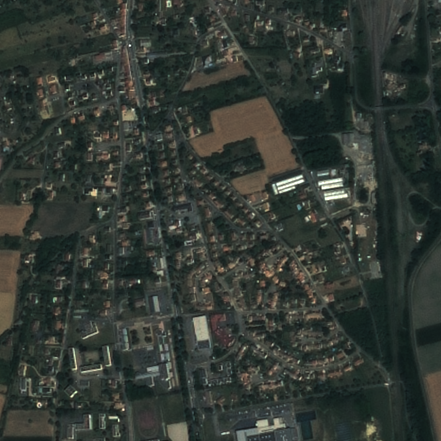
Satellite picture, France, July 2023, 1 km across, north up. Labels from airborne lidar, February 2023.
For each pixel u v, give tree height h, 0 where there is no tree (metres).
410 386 9
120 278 8
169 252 12
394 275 0
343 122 7
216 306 0
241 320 0
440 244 0
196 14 0
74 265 7
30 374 0
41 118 0
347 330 6
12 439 0
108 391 9
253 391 10
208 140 0
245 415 0
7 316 0
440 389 0
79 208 0
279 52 0
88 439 0
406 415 0
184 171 0
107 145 0
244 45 6
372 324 6
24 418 0
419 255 14
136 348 0
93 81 0
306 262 6
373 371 0
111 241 0
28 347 8
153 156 19
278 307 0
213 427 0
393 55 0
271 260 0
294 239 0
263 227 0
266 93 9
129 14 0
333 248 9
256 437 0
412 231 0
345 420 0
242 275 0
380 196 14
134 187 0
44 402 0
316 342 0
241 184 0
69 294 12
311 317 0
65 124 11
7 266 0
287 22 0
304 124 9
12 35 0
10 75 14
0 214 0
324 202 0
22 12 11
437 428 0
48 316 6
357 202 0
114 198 13
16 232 0
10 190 0
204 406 0
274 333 9
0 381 0
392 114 6
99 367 0
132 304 11
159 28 12
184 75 10
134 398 15
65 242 11
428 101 0
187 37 8
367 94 0
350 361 0
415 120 13
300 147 9
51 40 5
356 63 0
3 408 0
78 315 0
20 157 9
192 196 7
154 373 0
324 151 12
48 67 0
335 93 6
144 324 0
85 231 0
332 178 7
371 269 0
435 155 12
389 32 0
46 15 0
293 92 0
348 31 0
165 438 0
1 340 10
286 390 0
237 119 0
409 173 12
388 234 0
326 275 0
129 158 0
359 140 0
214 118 0
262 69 0
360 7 0
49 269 12
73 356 0
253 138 9
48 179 11
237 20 0
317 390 7
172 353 0
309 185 5
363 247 0
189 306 0
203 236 0
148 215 0
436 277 0
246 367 8
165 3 0
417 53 0
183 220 0
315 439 0
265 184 0
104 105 0
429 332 0
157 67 8
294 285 8
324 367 0
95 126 0
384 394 0
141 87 0
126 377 10
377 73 0
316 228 0
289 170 0
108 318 0
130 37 0
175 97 0
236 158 6
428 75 0
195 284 0
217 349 10
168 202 8
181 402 0
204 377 0
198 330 0
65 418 0
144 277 9
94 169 0
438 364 0
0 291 0
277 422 0
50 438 0
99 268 6
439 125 0
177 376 0
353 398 8
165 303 0
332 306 6
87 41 10
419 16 0
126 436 0
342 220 8
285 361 0
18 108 0
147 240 0
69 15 11
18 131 0
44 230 0
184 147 9
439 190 10
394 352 0
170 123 9
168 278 0
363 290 0
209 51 0
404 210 0
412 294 0
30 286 12
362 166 0
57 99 0
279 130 0
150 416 0
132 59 0
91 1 12
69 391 0
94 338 0
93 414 0
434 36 0
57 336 10
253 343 7
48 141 0
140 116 17
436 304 0
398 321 0
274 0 0
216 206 0
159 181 0
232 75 0
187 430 0
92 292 7
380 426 0
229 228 10
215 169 9
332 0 11
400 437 0
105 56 0
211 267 0
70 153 0
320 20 0
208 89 7
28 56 0
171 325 0
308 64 9
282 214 0
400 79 0
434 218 12
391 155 0
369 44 0
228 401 0
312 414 0
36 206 12
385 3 0
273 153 0
